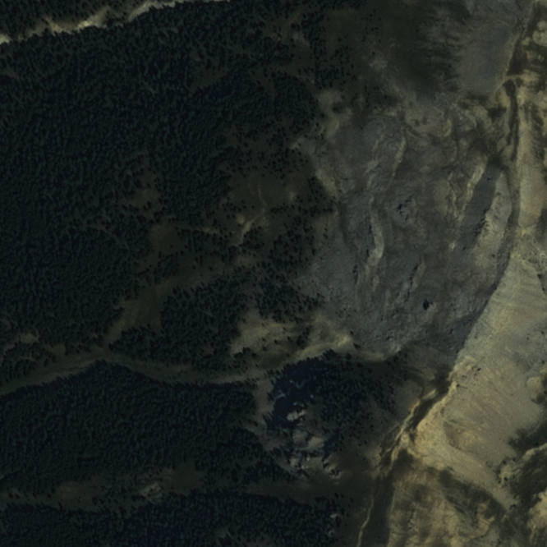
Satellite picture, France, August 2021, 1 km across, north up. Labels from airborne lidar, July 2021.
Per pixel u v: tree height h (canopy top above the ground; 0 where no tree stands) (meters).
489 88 0
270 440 0
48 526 17
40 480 15
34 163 12
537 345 0
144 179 0
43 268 21
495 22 0
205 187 10
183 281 0
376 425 0
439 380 0
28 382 0
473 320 0
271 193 0
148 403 18
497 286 0
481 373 0
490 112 0
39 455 16
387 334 0
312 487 0
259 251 8
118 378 13
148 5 0
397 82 0
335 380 13
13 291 17
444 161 0
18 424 20
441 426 0
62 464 18
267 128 8
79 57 10
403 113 0
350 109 0
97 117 16
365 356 0
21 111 11
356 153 0
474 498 0
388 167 0
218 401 14
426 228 0
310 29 10
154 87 7
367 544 0
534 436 0
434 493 0
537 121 0
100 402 16
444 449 0
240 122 9
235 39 11
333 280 0
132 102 12
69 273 21
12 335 7
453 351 0
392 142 0
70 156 9
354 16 0
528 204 0
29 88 14
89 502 0
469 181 0
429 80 0
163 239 0
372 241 0
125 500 10
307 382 13
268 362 0
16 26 12
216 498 13
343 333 0
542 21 0
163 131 12
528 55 0
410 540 0
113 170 13
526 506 0
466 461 0
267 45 9
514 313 0
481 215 0
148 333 13
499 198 0
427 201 0
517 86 0
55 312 15
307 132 0
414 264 0
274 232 0
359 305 0
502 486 0
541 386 0
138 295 11
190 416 13
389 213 0
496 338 0
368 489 0
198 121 13
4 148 19
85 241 16
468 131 0
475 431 0
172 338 10
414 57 0
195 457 11
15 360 13
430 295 0
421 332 0
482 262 0
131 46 7
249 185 0
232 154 13
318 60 7
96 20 0
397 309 0
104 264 16
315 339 0
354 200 0
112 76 11
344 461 0
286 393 8
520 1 0
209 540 15
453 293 0
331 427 0
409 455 0
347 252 0
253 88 12
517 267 0
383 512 0
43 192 18
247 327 0
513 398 0
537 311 0
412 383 0
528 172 0
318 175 0
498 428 0
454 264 0
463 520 0
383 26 0
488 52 0
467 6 0
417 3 0
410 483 0
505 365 0
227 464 13
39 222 20
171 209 10
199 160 17
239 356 9
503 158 0
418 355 0
